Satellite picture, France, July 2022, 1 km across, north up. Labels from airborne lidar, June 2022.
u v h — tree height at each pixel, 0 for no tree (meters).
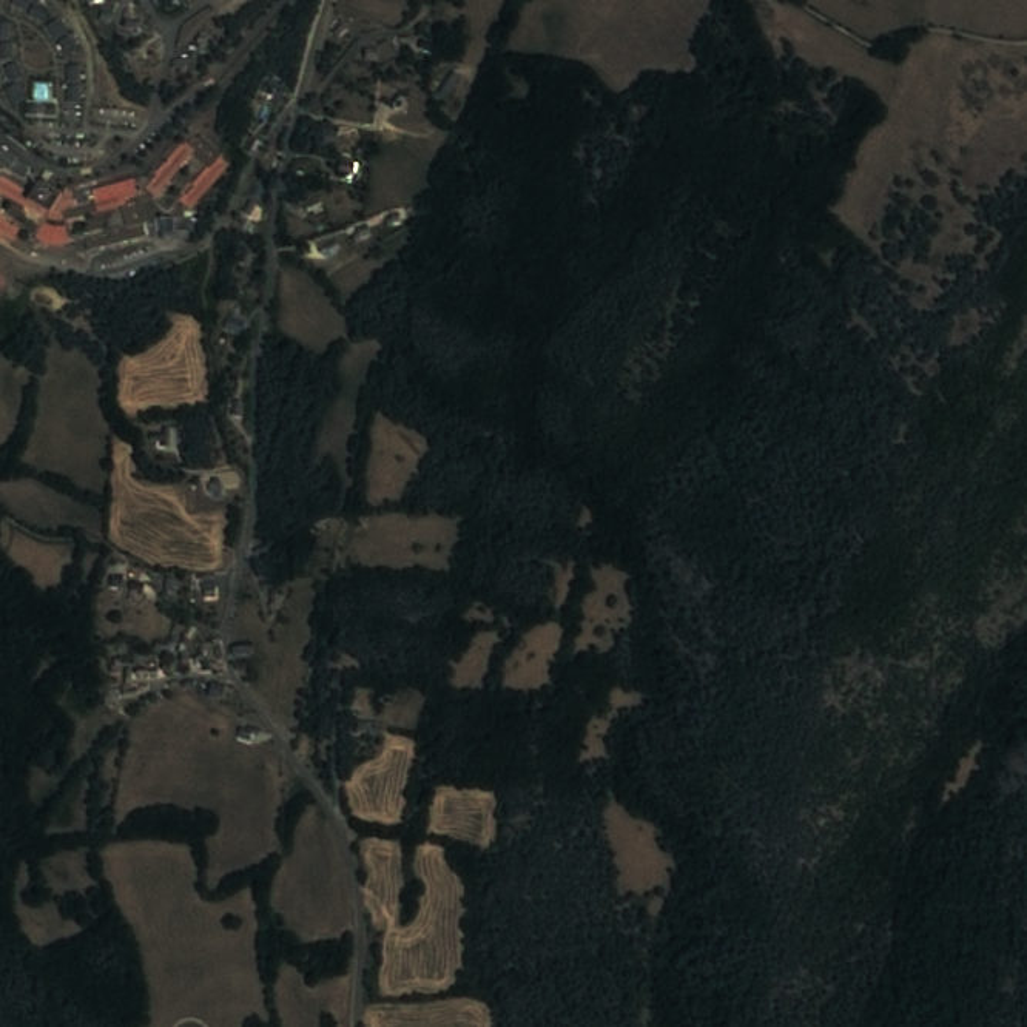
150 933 0
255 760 0
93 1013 16
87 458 0
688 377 12
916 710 8
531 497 23
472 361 14
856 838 13
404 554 0
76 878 0
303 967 10
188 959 0
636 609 9
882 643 8
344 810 7
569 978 17
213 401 10
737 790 7
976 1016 13
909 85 0
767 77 19
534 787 12
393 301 20
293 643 0
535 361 13
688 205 18
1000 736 20
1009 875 12
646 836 0
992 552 11
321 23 0
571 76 19
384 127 0
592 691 19
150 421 10
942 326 18
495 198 17
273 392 15
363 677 15
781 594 12
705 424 12
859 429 7
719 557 7
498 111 18
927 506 12
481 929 9
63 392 0
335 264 0
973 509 15
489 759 15
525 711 7
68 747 7
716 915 13
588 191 13
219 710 0
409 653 17
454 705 15
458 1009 0
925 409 10
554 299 11
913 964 9
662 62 0
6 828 15
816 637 10
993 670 15
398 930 0
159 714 0
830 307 15
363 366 0
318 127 11
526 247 20
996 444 7
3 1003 15
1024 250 16
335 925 0
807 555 17
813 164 19
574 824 20
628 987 15
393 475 0
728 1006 20
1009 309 10
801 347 25
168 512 0
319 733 15
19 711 18
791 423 14
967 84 0
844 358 19
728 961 17
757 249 15
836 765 9
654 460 12
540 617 16
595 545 15
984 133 0
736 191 19
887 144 0
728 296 14
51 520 0
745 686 10
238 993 0
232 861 0
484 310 16
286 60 8
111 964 17
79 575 13
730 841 12
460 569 18
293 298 0
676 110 20
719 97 20
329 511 15
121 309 16
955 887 19
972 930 15
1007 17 0
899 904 19
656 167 16
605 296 16
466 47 17
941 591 7
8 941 13
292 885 0
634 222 12
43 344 13
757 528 19
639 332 16
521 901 14
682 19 0
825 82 8
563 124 20
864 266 16
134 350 12
